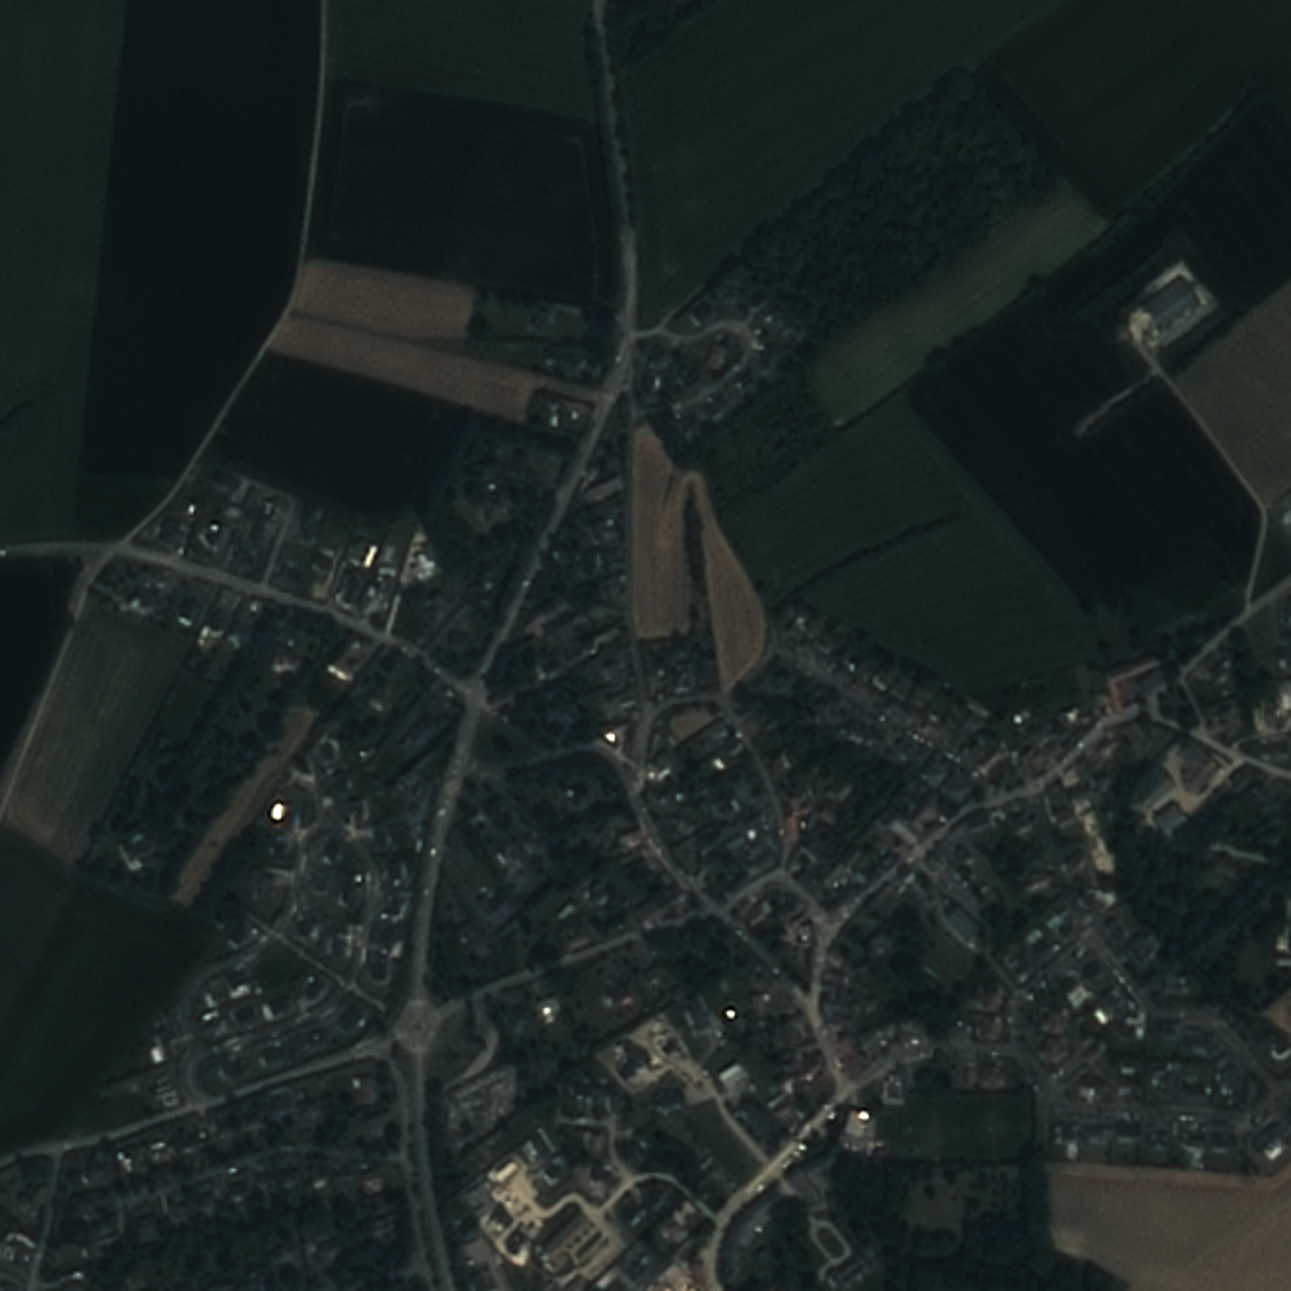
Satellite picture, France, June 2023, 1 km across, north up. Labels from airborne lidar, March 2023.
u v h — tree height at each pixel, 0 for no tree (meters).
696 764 10
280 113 0
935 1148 0
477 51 0
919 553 0
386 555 0
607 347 15
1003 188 18
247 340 0
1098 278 0
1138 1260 0
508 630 0
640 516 0
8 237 0
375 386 0
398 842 0
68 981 0
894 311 0
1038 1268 19
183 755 15
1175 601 0
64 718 0
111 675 0
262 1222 15
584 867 11
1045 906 10
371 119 0
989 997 0
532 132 0
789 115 0
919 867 0
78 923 0
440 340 0
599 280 0
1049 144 0
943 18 0
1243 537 0
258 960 0
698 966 14
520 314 0
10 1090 0
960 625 0
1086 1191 0
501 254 0
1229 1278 0
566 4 0
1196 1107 0
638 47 15
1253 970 0
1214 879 12
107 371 0
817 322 15
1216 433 0
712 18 0
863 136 0
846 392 0
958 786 0
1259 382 0
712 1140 0
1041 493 0
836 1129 12
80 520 0
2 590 0
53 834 0
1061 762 0
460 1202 0
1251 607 0
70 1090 0
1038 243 0
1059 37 0
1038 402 0
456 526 6
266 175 0
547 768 11
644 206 0
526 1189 0
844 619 0
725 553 0
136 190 0
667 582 0
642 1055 10
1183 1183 0
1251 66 0
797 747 8
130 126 0
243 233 0
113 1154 8
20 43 0
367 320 0
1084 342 0
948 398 0
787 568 0
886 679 0
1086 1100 0
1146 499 0
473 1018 12
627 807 12
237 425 0
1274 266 0
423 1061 0
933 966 0
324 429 0
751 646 0
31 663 0
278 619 7
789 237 16
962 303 0
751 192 0
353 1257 16
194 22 0
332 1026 0
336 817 0
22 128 0
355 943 0
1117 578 0
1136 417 0
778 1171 0
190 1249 10
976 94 18
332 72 0
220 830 0
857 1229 15
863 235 20
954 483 0
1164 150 0
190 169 0
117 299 0
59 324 0
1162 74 0
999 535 0
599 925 13
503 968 0
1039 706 0
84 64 0
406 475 0
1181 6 0
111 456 0
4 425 7
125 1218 6
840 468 0
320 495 0
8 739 0
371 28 0
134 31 0
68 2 0
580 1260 0
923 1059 0
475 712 0
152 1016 0
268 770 0
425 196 0
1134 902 14
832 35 0
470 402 0
